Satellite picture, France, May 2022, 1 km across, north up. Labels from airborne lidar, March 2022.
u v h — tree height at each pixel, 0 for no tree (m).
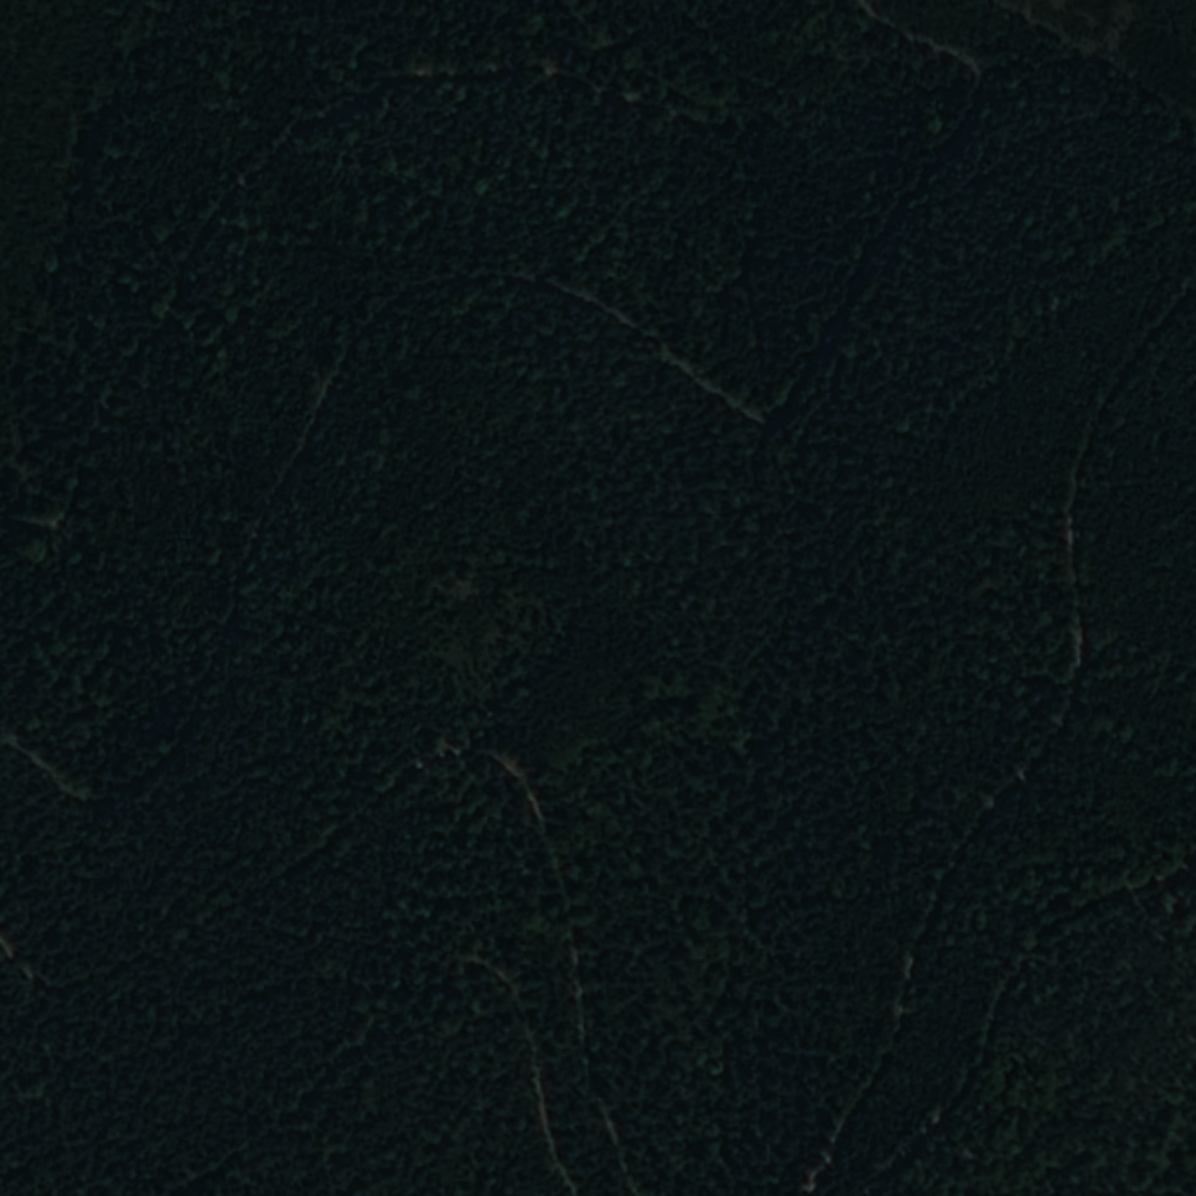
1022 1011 23
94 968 21
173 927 26
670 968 14
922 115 27
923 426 23
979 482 18
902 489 23
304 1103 14
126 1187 24
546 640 9
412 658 11
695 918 24
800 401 27
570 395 20
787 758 30
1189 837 17
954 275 31
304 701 10
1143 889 14
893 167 36
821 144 21
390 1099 21
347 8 29
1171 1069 21
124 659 29
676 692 23
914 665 14
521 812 19
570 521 21
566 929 15
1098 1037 28
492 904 20
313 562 24
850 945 20
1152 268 15
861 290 28
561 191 27
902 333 29
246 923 21
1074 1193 31
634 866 18
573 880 12
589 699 17
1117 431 19
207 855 21
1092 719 18
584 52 22
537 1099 17
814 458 30
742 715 25
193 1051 26
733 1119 19
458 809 15
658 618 17
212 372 14
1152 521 12
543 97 25
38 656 30
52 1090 24
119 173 20
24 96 22
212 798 23
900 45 28
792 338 22
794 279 26
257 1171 18
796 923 15
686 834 16
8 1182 22
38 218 18
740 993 15
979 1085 21
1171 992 27
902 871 37
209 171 12
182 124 20
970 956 12
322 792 22
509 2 25
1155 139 24
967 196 26
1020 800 18
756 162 28
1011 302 22
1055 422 19
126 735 29
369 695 12
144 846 24
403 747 10
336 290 10
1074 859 12
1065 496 19
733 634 28
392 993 13
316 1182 18
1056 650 19
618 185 25
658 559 12
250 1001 22
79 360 11
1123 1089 25
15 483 21
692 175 25
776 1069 21
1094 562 10
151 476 12
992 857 16
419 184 20
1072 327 21
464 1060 22
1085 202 24
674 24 23
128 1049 22
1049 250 26
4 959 23
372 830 14
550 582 23
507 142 29
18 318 18
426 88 22
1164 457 18
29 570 15
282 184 10
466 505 16
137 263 24
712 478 32
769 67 21
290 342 10
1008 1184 28
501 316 19
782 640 20
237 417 8
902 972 19
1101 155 23
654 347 18
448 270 24
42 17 21
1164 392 12
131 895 27
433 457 11
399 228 32
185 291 24
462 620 7
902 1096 16
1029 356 15
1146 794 15
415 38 32
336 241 16
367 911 24
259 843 22
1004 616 20
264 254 14
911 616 27
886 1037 17
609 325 18
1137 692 16
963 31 17
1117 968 21
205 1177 8
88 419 30
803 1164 22
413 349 10
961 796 20
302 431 9
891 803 20
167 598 16
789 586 32
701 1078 20
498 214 12
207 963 22
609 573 26
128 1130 28
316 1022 21
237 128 10
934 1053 19
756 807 20
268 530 16
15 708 14
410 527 8
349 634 10
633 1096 38
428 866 20
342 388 8
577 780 12
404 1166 23
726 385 28
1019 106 22
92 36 22
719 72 27
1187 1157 19
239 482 8
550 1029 17
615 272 25
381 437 16
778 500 26
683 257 25
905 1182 14
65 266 20
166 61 28
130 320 28
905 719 19
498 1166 17
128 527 8
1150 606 14
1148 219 24
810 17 21
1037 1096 26
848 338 31
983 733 19
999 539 24
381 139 31
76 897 26
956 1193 23
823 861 23
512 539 19
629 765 22
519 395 11
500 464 16
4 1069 30
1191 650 14
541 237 22
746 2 27
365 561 7
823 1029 21
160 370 20
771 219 24
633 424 30
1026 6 7
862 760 17
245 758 21
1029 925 21
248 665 15
